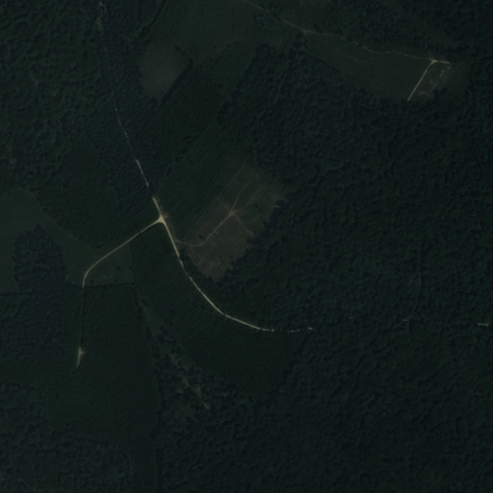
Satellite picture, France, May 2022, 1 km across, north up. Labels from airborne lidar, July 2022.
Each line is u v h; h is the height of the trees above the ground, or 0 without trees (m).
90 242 15
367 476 29
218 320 5
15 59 30
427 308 21
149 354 8
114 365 10
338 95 26
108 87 26
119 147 27
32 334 17
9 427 32
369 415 32
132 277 0
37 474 34
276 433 33
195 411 24
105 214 18
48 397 7
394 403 30
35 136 23
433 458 31
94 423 8
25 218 0
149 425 10
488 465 19
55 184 16
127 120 25
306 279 21
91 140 23
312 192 18
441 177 24
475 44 31
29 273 24
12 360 11
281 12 12
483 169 33
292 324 21
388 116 31
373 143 31
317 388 31
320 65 25
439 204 32
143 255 6
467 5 30
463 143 14
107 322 11
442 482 29
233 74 0
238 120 22
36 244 30
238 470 33
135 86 26
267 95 22
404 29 30
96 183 18
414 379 26
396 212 15
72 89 25
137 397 11
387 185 25
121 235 7
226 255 0
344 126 29
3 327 31
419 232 32
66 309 14
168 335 25
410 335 23
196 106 15
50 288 31
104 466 23
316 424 27
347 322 22
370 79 0
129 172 28
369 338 26
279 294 25
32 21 30
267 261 20
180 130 10
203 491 31
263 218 0
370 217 34
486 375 27
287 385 22
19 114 29
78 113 24
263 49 22
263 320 21
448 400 30
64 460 29
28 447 32
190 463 32
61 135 26
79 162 18
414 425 30
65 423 8
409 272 23
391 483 28
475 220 28
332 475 25
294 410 27
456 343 25
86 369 10
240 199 0
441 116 27
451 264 17
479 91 19
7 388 29
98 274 0
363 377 30
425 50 25
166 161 14
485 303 28
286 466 27
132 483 11
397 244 23
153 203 8
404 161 21
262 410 27
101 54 25
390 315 27
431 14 27
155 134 13
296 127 25
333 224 32
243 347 7
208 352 7
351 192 24
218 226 0
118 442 8
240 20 0
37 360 10
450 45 0
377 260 18
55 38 28
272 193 0
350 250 20
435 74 0
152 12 17
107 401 7
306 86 16
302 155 29
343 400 28
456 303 6
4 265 0
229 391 18
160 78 0
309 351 26
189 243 0
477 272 27
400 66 0
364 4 23
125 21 24
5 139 24
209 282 20
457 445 25
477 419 27
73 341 15
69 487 29
